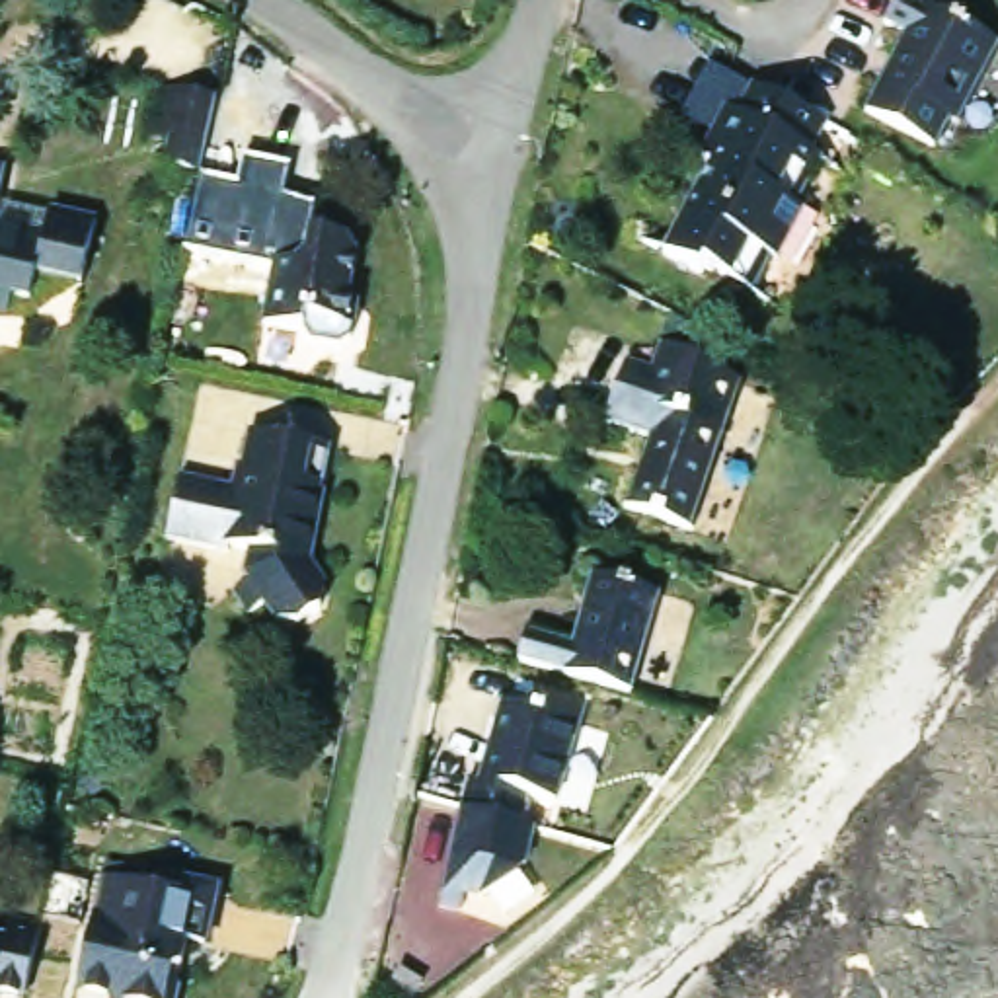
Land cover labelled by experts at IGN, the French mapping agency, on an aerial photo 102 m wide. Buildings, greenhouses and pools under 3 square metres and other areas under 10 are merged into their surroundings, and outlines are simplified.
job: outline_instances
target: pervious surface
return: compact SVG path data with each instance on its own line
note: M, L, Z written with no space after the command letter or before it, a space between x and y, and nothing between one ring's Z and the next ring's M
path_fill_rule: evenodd
M530 402L538 390L585 378L600 343L589 331L573 331L573 343L557 363L557 370L542 370L538 378L503 366L495 370L499 394Z
M678 807L686 791L694 791L713 756L725 749L725 741L741 729L745 713L772 682L787 651L799 643L799 635L811 628L811 620L823 612L838 581L877 542L893 515L912 499L912 491L928 476L936 476L951 448L967 437L967 429L998 402L998 370L979 386L971 405L959 409L959 417L936 441L924 464L912 468L901 483L893 483L889 499L846 542L842 557L826 569L819 589L799 593L791 600L772 655L760 663L760 671L749 678L737 702L721 710L702 717L690 729L678 756L663 772L647 776L647 795L632 811L616 842L612 858L518 943L511 943L507 951L491 947L483 955L480 975L472 975L448 998L483 998L534 951L542 951L628 869L639 846L667 823L667 815Z
M211 932L207 959L211 967L222 967L230 955L269 959L292 947L296 916L226 904L218 928Z
M58 659L47 651L27 651L23 667L12 671L8 663L19 632L66 632L74 639L70 674L58 671ZM16 713L51 713L55 764L66 764L82 710L90 643L90 632L82 624L62 620L55 608L8 616L0 632L0 706Z
M534 612L577 612L585 604L585 593L565 577L550 593L511 600L491 600L476 585L472 596L456 596L448 628L476 639L503 635L518 651L518 643L530 639L526 620Z
M616 62L616 78L612 78L612 82L616 90L655 105L655 82L647 74L632 74L620 58L612 58L612 62Z
M979 78L971 105L963 113L951 113L943 129L932 133L932 148L955 144L963 125L986 129L990 113L998 109L998 55L990 70Z
M647 441L643 433L628 433L620 448L593 448L596 460L616 468L616 503L624 503L635 499L632 472Z

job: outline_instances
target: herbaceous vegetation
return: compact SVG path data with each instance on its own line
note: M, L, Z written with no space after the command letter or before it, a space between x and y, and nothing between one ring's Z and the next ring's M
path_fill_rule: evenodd
M511 924L503 924L491 947L507 951L511 943L518 943L612 858L542 838L515 862L515 869L530 885L542 885L542 897Z
M464 19L472 12L468 0L370 0L386 16L417 31L425 31L429 23L441 31L452 16Z
M932 148L924 148L947 175L963 183L982 183L990 195L998 195L998 109L990 113L986 129L963 125L955 144Z
M27 651L47 651L58 659L58 671L70 674L74 639L66 632L19 632L8 663L12 671L23 667Z
M596 460L589 491L581 495L593 518L616 522L628 515L624 503L616 503L616 468Z
M39 31L47 31L55 19L47 0L0 0L0 62L19 58L23 47L39 39Z
M140 854L160 846L226 862L226 904L296 916L324 916L331 901L331 881L347 838L351 795L374 713L378 663L386 647L390 608L417 499L417 476L398 472L390 456L351 456L335 472L335 495L324 530L324 557L331 569L331 589L320 596L324 616L308 624L269 612L238 616L234 589L222 600L207 596L203 639L195 643L191 671L179 682L187 713L183 721L168 721L160 729L160 745L175 760L183 764L195 811L207 811L214 819L253 819L265 826L300 826L312 838L312 846L324 850L327 869L320 873L296 865L288 850L253 834L214 838L203 826L105 815L74 830L74 846L62 854L58 865L62 873L78 877L82 869L105 865L109 854ZM316 713L312 745L320 752L312 768L304 768L300 776L246 772L234 756L234 690L226 678L222 639L253 639L261 651L285 651L288 671L304 690L308 710Z
M487 546L480 546L464 530L476 464L487 441L495 441L511 460L546 464L557 464L565 456L569 409L542 417L530 402L499 394L487 405L480 405L468 437L460 499L448 538L448 573L456 577L456 596L472 596L476 585L468 573L487 569L495 561Z
M105 515L105 534L86 538L82 530L58 526L51 518L43 483L62 456L66 433L94 409L121 409L121 402L133 390L133 370L113 374L109 382L86 382L86 374L74 370L70 324L55 324L51 316L43 316L43 304L66 288L70 277L35 277L31 288L16 292L8 300L8 312L0 316L0 632L8 616L55 608L62 620L82 624L90 632L90 643L113 647L117 612L140 581L183 585L187 596L199 596L207 589L203 557L187 557L168 542L168 503L183 499L175 491L175 480L191 460L187 441L172 437L172 444L164 444L148 429L133 433L133 483Z
M947 359L943 390L959 409L971 405L979 386L998 370L998 218L975 211L967 199L947 199L940 187L920 187L904 172L865 168L865 187L854 199L858 222L834 226L830 238L819 242L815 257L823 265L846 265L862 285L877 285L889 292L885 308L854 304L850 320L873 331L889 331L893 339L932 343Z
M296 998L304 986L304 971L292 947L269 959L230 955L222 967L211 967L207 959L191 967L183 998Z
M16 713L0 706L0 760L16 756L31 764L55 764L51 713Z
M756 468L745 480L741 515L733 530L706 534L698 546L733 554L729 569L717 569L713 577L694 577L686 569L667 577L643 557L616 554L624 569L632 569L639 581L651 581L663 596L678 596L690 604L682 655L671 667L674 686L710 694L721 702L721 710L737 702L749 678L760 671L760 663L772 655L791 600L799 593L819 589L826 569L842 557L846 542L889 499L893 483L838 476L830 460L823 460L819 441L787 433L772 409L764 421L760 448L752 452ZM698 608L729 589L741 593L741 616L725 628L706 624Z
M585 694L585 725L600 729L608 741L593 764L596 784L589 807L565 807L561 830L596 842L616 842L632 811L647 795L647 776L663 772L678 756L690 729L702 717L698 706L655 706L635 690L632 686L628 694L612 694L604 686L577 682Z
M168 327L172 339L195 343L211 359L246 366L253 374L265 374L269 366L257 363L261 320L253 296L218 292L203 288L199 281L187 281L187 246L172 234L172 203L187 199L191 164L168 156L156 133L136 133L140 97L133 97L133 90L113 94L109 101L101 133L51 133L35 164L12 164L8 183L19 191L70 191L105 203L109 222L97 253L82 257L82 273L78 304L94 308L101 320L121 327L133 355L148 351L152 320L156 327Z
M565 300L546 304L538 316L542 347L557 363L573 343L573 331L589 331L600 343L620 339L647 343L663 331L686 331L690 320L710 312L713 304L729 304L749 331L768 324L772 331L787 331L795 324L791 292L760 304L741 281L686 273L663 261L659 253L643 250L647 238L659 238L663 226L678 214L682 199L647 195L635 179L624 179L616 172L616 148L643 129L655 105L616 90L612 82L604 78L604 82L589 82L589 86L573 86L573 82L569 82L569 74L573 74L573 70L581 70L585 62L589 62L589 58L593 58L593 55L600 55L600 51L585 23L561 23L550 39L538 101L530 113L530 160L515 183L515 203L499 257L495 308L487 331L491 355L499 351L503 331L515 316L522 253L542 253L554 242L530 230L526 218L534 203L608 199L620 218L620 242L612 246L612 265L647 285L643 292L628 288L624 300L600 300L589 292L589 281L561 281Z
M370 226L355 218L347 207L320 199L316 199L312 230L324 242L335 242L343 253L351 253L355 277L370 285L363 312L370 316L370 335L359 355L359 366L405 378L413 386L409 429L421 429L433 409L444 355L444 253L429 203L405 172L398 175L394 207L382 207Z
M678 807L667 815L667 823L639 846L628 869L542 951L534 951L483 998L608 998L616 986L616 971L632 971L647 951L671 940L674 924L682 924L686 908L671 904L667 877L710 858L713 838L741 823L741 815L756 803L772 799L780 784L791 776L791 764L799 760L803 745L803 721L819 717L819 706L846 686L846 671L865 651L885 596L893 589L904 589L904 569L912 569L928 554L924 522L932 515L955 515L959 495L986 487L998 472L998 402L967 429L967 437L951 448L936 476L928 476L912 491L912 499L893 515L877 542L838 581L823 612L811 620L811 628L799 635L799 643L787 651L772 682L745 713L741 729L725 741L725 749L713 756L694 791L686 791Z

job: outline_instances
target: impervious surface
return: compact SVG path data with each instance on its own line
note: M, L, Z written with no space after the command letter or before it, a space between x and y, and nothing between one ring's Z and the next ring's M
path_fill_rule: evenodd
M164 74L187 74L203 62L214 43L214 27L191 16L187 0L148 0L125 31L94 39L94 55L117 62L121 62L133 51L144 51L148 66Z
M222 600L234 589L246 573L250 554L246 538L230 534L238 511L183 499L168 503L168 542L187 557L203 557L207 589L207 596Z
M187 246L187 281L199 281L203 288L218 292L253 296L265 296L273 273L269 257L230 253L218 246Z
M733 425L725 433L725 444L717 448L717 468L702 499L702 511L690 518L671 511L667 522L635 515L643 530L671 530L678 542L698 546L706 534L733 530L741 515L745 480L756 468L752 452L760 448L764 421L772 409L768 394L756 394L749 386L741 390Z
M596 842L561 830L565 807L589 807L596 784L593 764L608 741L600 729L585 725L573 741L561 787L546 787L538 799L542 838L612 858L616 842Z
M0 998L152 998L109 994L105 986L82 979L86 928L101 897L105 865L82 869L78 877L62 873L51 885L47 920L47 947L35 986L0 986Z
M663 596L639 671L647 686L674 686L671 667L682 655L690 604L678 596Z
M203 386L195 398L187 441L191 460L234 468L253 417L277 405L261 394Z
M390 402L382 417L331 417L351 456L390 456L398 472L417 476L417 499L390 608L386 647L378 663L374 713L351 795L347 838L331 881L331 901L324 916L296 916L292 947L304 971L304 986L296 998L359 998L378 967L386 967L394 982L402 982L405 990L425 990L425 998L448 998L472 975L480 975L483 955L491 947L503 924L511 924L542 897L542 885L530 885L515 869L503 873L491 889L468 897L468 916L444 912L441 889L452 881L452 873L444 869L444 862L425 862L425 838L437 815L460 811L460 799L472 787L472 772L487 756L499 698L515 686L526 698L538 694L530 674L538 667L530 667L526 674L507 674L495 667L480 667L472 659L456 659L444 702L433 702L429 682L437 667L437 639L448 628L456 596L456 577L448 573L448 538L460 499L468 437L480 405L487 405L499 394L495 370L491 355L487 331L495 308L499 257L515 203L515 183L530 160L530 113L538 101L550 39L561 23L585 23L600 51L604 51L604 55L612 55L612 58L620 58L632 74L647 74L655 82L659 74L682 74L698 58L694 31L678 31L674 23L624 23L616 0L518 0L503 39L476 66L444 78L425 78L363 51L355 39L347 39L339 27L324 19L324 12L312 0L250 0L246 23L234 43L234 78L226 86L207 152L214 160L257 160L285 168L288 187L316 199L320 199L320 148L339 136L382 133L390 148L402 156L405 172L429 203L444 253L444 355L433 409L421 429L409 429L413 386L405 378L359 366L359 355L370 335L370 316L363 312L347 320L324 308L316 292L300 292L296 312L261 320L257 363L269 366L312 370L316 363L331 363L339 386L386 394Z
M838 164L846 164L850 156L846 148L854 144L854 133L842 125L850 101L858 97L854 66L869 62L873 70L881 70L889 62L885 47L920 19L920 8L904 0L717 0L710 16L745 35L745 58L725 51L713 55L717 66L749 82L760 78L768 86L787 86L807 105L823 105L823 133L830 140L823 152L823 172L803 164L803 172L791 179L784 195L799 203L787 238L780 246L760 242L760 253L741 281L760 304L791 292L803 273L811 273L815 257L819 242L830 238L834 226L826 214L807 211L807 203L815 191L834 191Z
M70 277L66 288L43 304L43 316L51 316L55 324L70 324L78 304L82 273Z

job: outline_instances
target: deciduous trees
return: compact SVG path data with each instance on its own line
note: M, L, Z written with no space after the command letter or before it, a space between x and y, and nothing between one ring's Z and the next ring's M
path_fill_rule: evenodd
M55 117L62 82L101 94L109 101L113 94L117 62L94 55L94 39L74 19L55 19L47 31L39 31L39 39L23 47L19 58L0 62L0 117L19 125L23 117Z
M476 464L464 530L480 546L487 546L495 561L487 569L468 573L476 585L491 600L511 600L550 593L565 577L577 557L577 534L593 518L581 495L557 487L546 464L511 460L495 441L487 441Z
M253 639L222 639L226 678L234 690L234 756L246 772L300 776L304 768L312 768L320 752L312 745L316 713L308 710L304 690L288 671L285 651L261 651Z
M686 113L686 97L694 86L682 74L659 74L655 82L655 105L643 129L616 148L616 172L624 179L635 179L647 195L682 199L702 172L702 148L694 140L706 125Z
M86 795L109 787L121 799L144 799L152 776L164 772L168 760L175 760L160 745L160 729L168 721L183 721L187 713L179 682L191 671L195 643L203 639L207 596L207 589L199 596L187 596L183 585L140 581L117 612L113 647L90 643L82 710L66 764L70 772L78 772L78 787Z
M772 409L787 433L819 441L823 460L830 460L838 476L893 483L901 483L912 468L924 464L936 441L959 417L959 409L943 390L947 359L932 343L893 339L889 331L873 331L850 320L854 304L885 308L889 292L877 285L862 285L846 265L823 265L815 257L811 273L803 273L791 292L795 324L787 331L772 331L768 324L749 331L729 304L713 304L710 312L690 320L686 331L713 359L741 363L749 386L756 394L768 394Z
M359 998L425 998L425 990L405 990L402 982L394 982L386 967L378 967Z
M569 226L589 222L596 238L612 246L620 242L620 218L608 199L534 203L526 218L530 230L554 242Z
M394 207L398 175L405 172L402 156L390 148L382 133L339 136L320 148L320 199L347 207L355 218L370 226L382 207Z

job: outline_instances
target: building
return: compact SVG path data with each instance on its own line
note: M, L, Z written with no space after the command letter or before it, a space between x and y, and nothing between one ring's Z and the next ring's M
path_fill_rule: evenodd
M70 191L19 191L8 183L12 164L12 152L0 148L0 316L8 312L8 300L16 292L31 288L35 277L70 277L82 273L82 257L97 253L109 222L105 203Z
M760 253L760 242L780 246L787 238L799 203L784 195L791 179L803 172L803 164L823 172L823 152L830 140L823 133L823 105L807 105L787 86L768 86L760 78L749 82L717 66L713 55L698 58L682 74L694 86L686 97L686 113L706 125L694 140L702 148L702 172L682 199L678 214L663 226L659 238L647 238L643 250L659 253L663 261L686 273L741 281Z
M230 253L269 257L273 273L265 296L253 296L261 320L296 312L300 292L316 292L324 308L347 320L363 312L370 285L355 277L351 253L343 253L335 242L324 242L312 230L316 199L288 187L285 168L257 160L214 160L207 152L226 86L203 62L187 74L164 74L148 66L144 51L133 51L121 62L133 74L156 82L156 133L168 156L191 164L187 199L172 203L172 234L187 246L218 246Z
M920 19L885 47L889 62L881 70L877 86L865 90L873 101L865 105L865 117L924 148L932 148L932 133L943 129L951 113L963 113L971 105L979 78L990 70L998 55L998 0L904 0L920 8Z
M733 425L741 390L749 386L741 363L713 359L686 331L663 331L647 343L620 339L604 390L612 425L624 425L628 433L643 433L647 441L632 472L635 499L624 503L628 515L635 515L667 522L671 511L690 518L702 511L702 499L717 468L717 448L725 444L725 433Z
M526 620L530 639L518 643L518 651L518 659L530 667L538 667L530 674L538 694L526 698L515 686L499 698L487 756L472 772L472 787L460 799L460 811L437 815L425 838L425 862L444 862L444 869L452 873L452 881L441 889L444 912L468 916L468 897L491 889L503 873L515 869L515 862L542 838L538 799L546 787L561 787L573 741L585 725L585 694L577 682L604 686L612 694L628 694L632 686L635 690L647 686L639 671L663 596L651 581L639 581L632 569L624 569L616 554L608 554L589 573L585 593L585 604L577 612L534 612Z
M331 589L331 569L324 557L324 530L335 495L335 472L351 456L331 417L324 402L312 398L288 398L277 405L253 417L234 468L191 460L175 480L175 491L183 499L238 511L230 534L246 538L250 554L246 573L234 589L238 616L269 612L308 624L324 616L320 596Z
M0 986L35 986L47 947L47 920L31 912L0 912Z
M226 904L226 862L160 846L140 854L109 854L105 865L101 897L86 928L82 979L105 986L109 994L152 998L183 998L191 967L207 959L211 932L218 928Z

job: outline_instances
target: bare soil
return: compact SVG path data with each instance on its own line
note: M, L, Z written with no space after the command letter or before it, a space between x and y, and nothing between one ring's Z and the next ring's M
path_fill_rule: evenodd
M998 998L998 472L986 487L959 495L955 515L932 515L924 522L928 554L912 569L904 569L904 589L893 589L885 596L865 651L846 671L846 686L819 706L819 717L803 721L803 745L799 760L791 764L791 776L780 784L772 799L756 803L741 815L741 823L713 838L710 858L667 877L671 904L686 908L682 924L674 924L671 940L647 951L632 971L616 971L616 986L608 998Z

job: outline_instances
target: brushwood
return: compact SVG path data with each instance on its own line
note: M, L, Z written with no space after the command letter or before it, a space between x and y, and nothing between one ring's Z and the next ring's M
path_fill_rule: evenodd
M472 12L464 19L452 16L441 31L429 23L425 31L417 31L386 16L370 0L312 0L324 12L324 19L339 27L347 39L355 39L363 51L425 78L444 78L476 66L503 39L518 0L468 0Z
M647 686L635 690L655 706L698 706L702 717L721 710L721 702L710 694L674 686Z
M573 82L573 86L589 86L589 82L604 82L604 78L612 82L612 78L616 78L616 62L612 62L612 58L612 55L604 55L604 51L600 51L600 55L593 55L593 58L589 58L589 62L585 62L581 70L573 70L573 74L569 74L569 82Z
M444 702L456 659L472 659L480 667L495 667L507 674L526 674L530 667L518 659L518 651L503 635L476 639L448 628L437 639L437 667L429 682L433 702Z
M706 624L725 628L741 616L741 593L729 589L698 608Z
M674 23L678 31L694 31L698 58L713 55L725 51L745 58L745 35L710 16L717 0L616 0L624 23Z
M121 62L117 62L113 94L133 90L133 97L140 97L136 133L156 133L156 82L133 74Z
M55 19L74 19L94 39L125 31L148 0L47 0Z
M109 382L113 374L133 370L133 390L121 402L121 409L94 409L66 433L62 456L43 483L51 518L58 526L82 530L86 538L105 534L105 515L133 483L133 433L148 429L164 444L172 444L172 437L187 441L195 398L203 386L261 394L277 405L288 398L312 398L324 402L331 417L382 417L390 402L386 394L339 386L331 363L316 363L312 370L269 366L265 374L253 374L246 366L211 359L195 343L172 339L168 327L156 327L152 320L148 351L133 355L121 327L101 320L94 308L78 304L70 324L74 370L86 374L86 382Z
M620 339L600 343L585 378L538 390L530 402L542 417L569 409L565 456L557 464L546 464L557 487L581 495L589 491L596 460L593 448L620 448L628 433L624 425L612 425L604 390Z
M554 242L542 253L522 253L515 316L503 331L499 351L491 355L495 370L503 366L538 378L542 370L557 370L557 363L542 347L538 316L546 304L565 300L561 281L589 281L589 292L600 300L624 300L628 288L643 292L647 285L612 265L612 246L596 238L589 222L569 226Z
M854 199L865 187L865 168L904 172L920 187L940 187L947 199L967 199L975 211L998 218L998 195L990 195L982 183L963 183L947 175L924 148L865 117L865 105L873 101L865 90L877 86L881 70L873 70L869 62L854 66L858 97L850 101L842 125L854 133L854 144L846 148L850 156L846 164L838 164L834 191L815 191L807 203L807 211L826 214L834 226L858 222Z
M643 557L667 577L686 569L694 577L713 577L717 569L729 569L733 554L698 546L678 542L671 530L643 530L635 515L628 515L616 522L593 518L577 534L577 557L565 577L585 593L589 573L608 554L616 554Z
M55 117L23 117L19 125L0 117L0 148L12 152L12 164L35 164L51 133L101 133L109 101L101 94L62 82Z
M203 62L226 86L234 78L234 43L246 23L250 0L187 0L191 16L214 27L214 43Z
M31 764L16 756L0 760L0 912L31 912L47 920L51 885L62 873L58 865L62 854L74 846L74 830L105 815L203 826L214 838L253 834L288 850L296 865L320 873L327 869L324 850L312 846L312 838L300 826L265 826L253 819L214 819L207 811L195 811L183 764L175 760L168 760L164 772L152 776L144 799L121 799L109 787L86 795L78 787L78 772L70 772L66 764L55 764Z

